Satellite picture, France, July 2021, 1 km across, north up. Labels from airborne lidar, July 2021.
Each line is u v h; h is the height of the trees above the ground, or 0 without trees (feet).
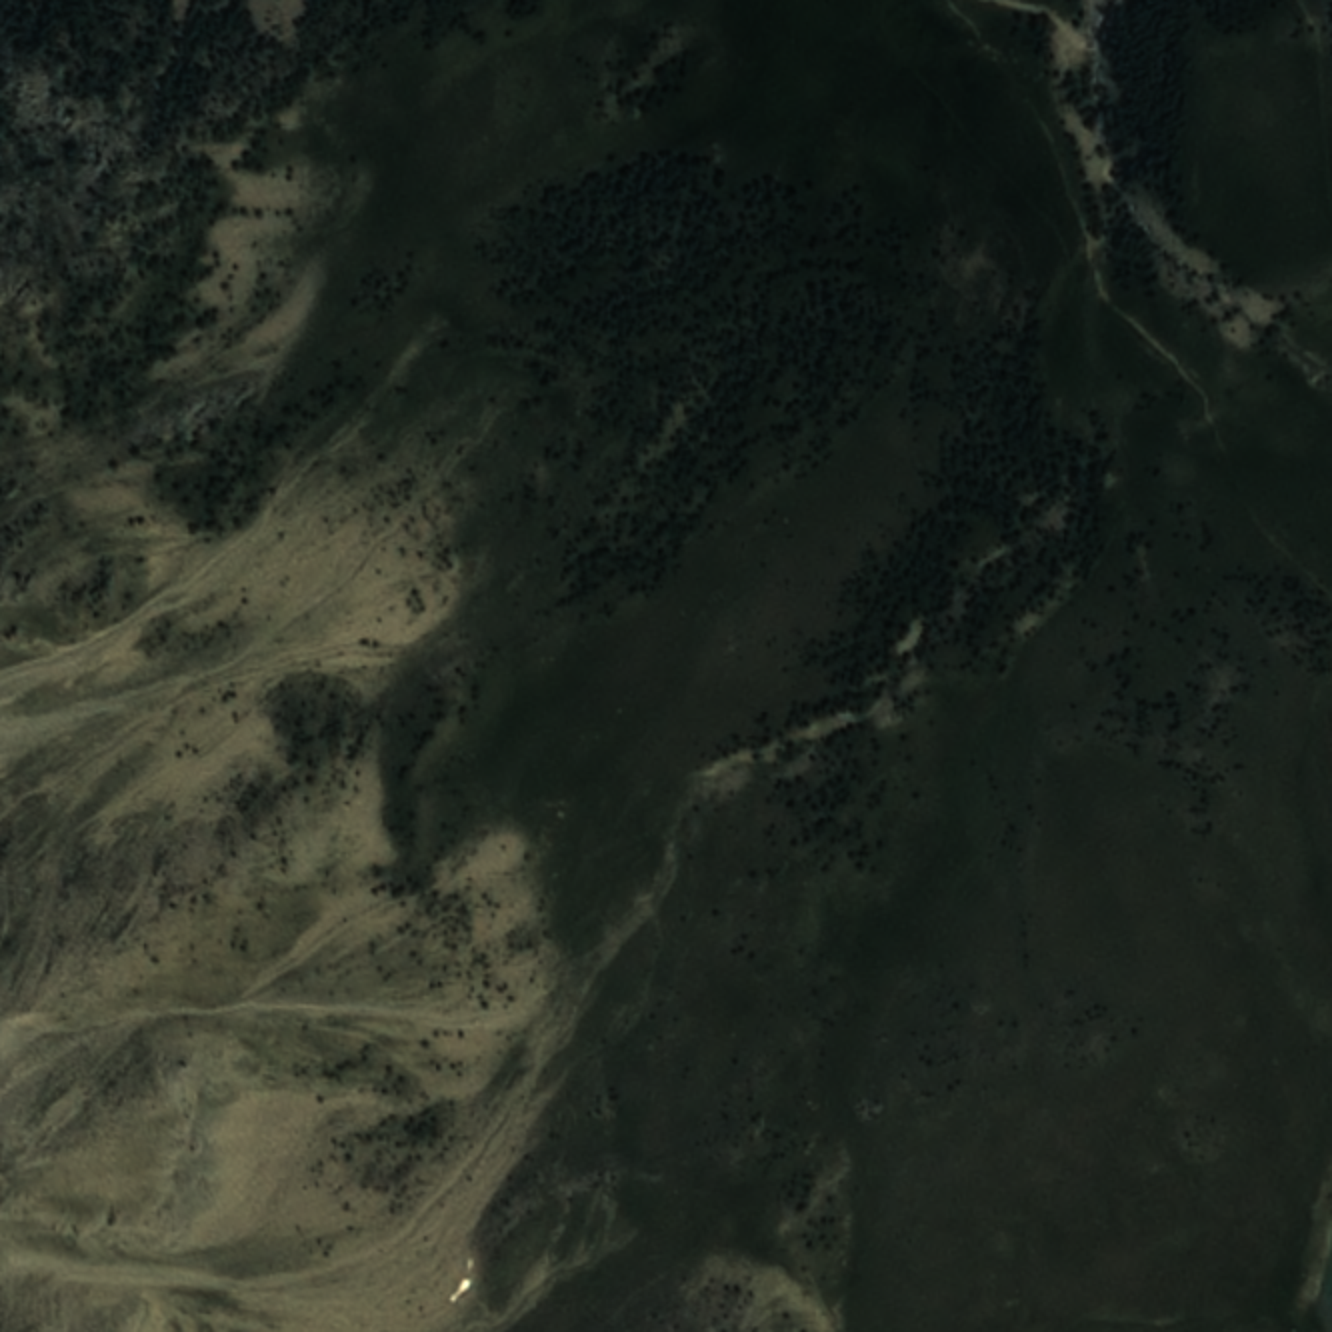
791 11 0
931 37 0
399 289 21
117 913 0
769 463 0
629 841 0
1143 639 0
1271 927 0
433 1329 0
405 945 0
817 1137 0
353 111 0
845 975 0
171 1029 0
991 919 0
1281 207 0
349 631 0
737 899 0
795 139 0
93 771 0
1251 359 0
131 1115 0
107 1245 0
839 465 0
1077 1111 0
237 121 28
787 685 0
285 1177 0
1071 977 0
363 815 0
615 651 0
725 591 0
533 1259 0
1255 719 0
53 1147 0
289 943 0
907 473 0
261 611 0
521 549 0
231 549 0
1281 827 0
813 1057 0
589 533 30
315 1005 0
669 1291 0
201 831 0
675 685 0
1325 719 0
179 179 34
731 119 0
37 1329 0
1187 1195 0
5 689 0
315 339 0
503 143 0
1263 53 0
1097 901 0
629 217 42
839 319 37
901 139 0
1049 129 0
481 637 0
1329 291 0
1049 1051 0
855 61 0
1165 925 0
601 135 0
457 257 0
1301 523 0
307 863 0
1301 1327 0
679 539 22
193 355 0
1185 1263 0
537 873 0
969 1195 0
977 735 0
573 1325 0
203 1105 0
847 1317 0
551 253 31
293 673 0
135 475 0
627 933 0
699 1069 0
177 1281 0
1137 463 0
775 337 28
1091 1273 0
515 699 0
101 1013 0
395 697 0
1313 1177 0
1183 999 0
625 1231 0
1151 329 0
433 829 0
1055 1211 0
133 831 0
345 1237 0
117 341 25
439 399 0
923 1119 0
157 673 0
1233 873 0
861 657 29
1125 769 0
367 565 0
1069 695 0
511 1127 0
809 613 0
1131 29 51
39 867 0
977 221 0
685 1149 0
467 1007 0
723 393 31
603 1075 0
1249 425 0
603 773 0
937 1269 0
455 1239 0
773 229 25
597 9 0
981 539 0
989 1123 0
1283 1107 0
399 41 0
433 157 0
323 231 0
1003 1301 0
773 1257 0
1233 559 0
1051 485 31
